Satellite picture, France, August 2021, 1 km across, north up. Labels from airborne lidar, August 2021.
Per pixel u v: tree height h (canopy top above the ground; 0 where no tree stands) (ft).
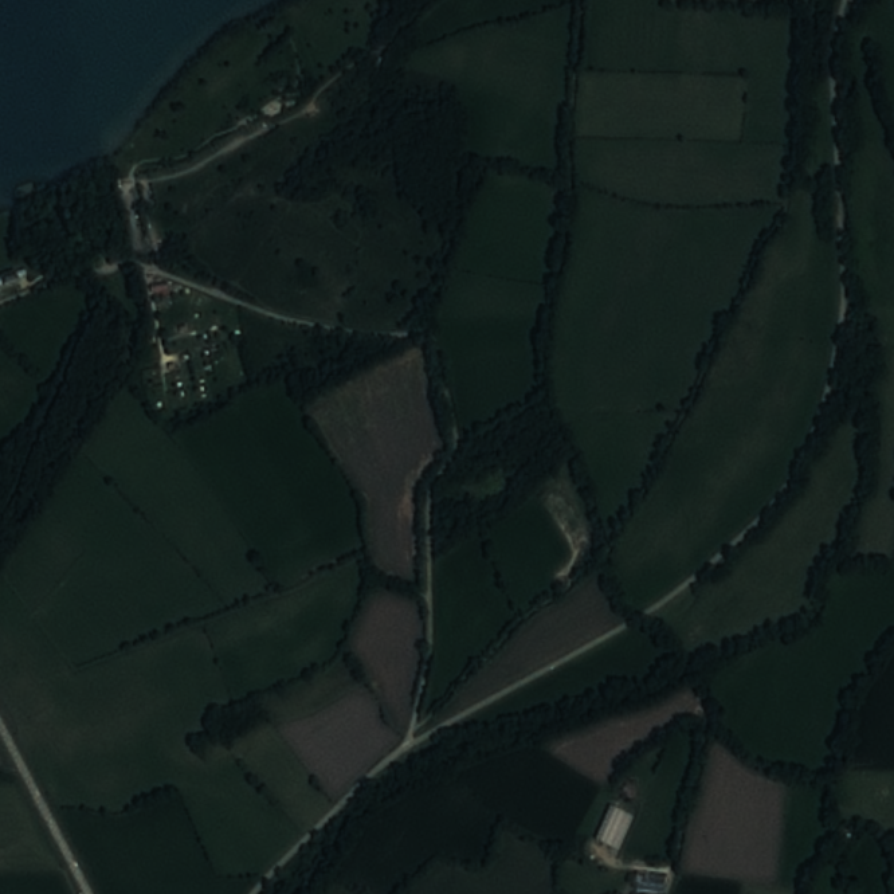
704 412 0
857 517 64
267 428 0
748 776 0
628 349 0
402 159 53
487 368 0
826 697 0
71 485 0
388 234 0
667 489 0
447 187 73
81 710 0
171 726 0
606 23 0
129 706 0
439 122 65
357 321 0
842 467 0
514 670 0
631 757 62
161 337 38
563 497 0
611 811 0
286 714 0
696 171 0
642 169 0
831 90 0
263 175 0
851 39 66
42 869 0
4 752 0
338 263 0
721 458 0
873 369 77
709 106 0
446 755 71
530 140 0
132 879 0
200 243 0
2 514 69
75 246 78
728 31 0
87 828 0
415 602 47
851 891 60
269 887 56
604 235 0
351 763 0
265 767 0
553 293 53
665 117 0
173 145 0
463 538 64
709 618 0
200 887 0
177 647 0
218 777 0
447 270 49
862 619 0
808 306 0
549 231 0
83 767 0
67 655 0
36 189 32
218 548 0
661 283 0
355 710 0
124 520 0
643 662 0
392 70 26
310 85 20
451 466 46
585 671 0
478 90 0
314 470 0
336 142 47
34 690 0
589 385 0
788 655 0
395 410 0
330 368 37
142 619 0
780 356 0
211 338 30
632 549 0
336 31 0
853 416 52
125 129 0
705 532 0
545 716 71
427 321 57
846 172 68
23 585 0
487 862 35
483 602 0
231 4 0
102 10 0
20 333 0
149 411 42
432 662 31
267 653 0
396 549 0
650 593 0
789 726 0
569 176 55
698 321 0
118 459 0
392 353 71
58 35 0
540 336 63
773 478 0
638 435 0
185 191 0
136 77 0
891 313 0
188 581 0
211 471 0
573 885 0
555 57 0
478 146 0
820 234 40
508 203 0
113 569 0
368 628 0
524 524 0
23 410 0
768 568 0
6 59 0
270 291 0
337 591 0
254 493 0
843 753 68
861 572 73
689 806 57
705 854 0
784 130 0
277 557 0
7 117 0
